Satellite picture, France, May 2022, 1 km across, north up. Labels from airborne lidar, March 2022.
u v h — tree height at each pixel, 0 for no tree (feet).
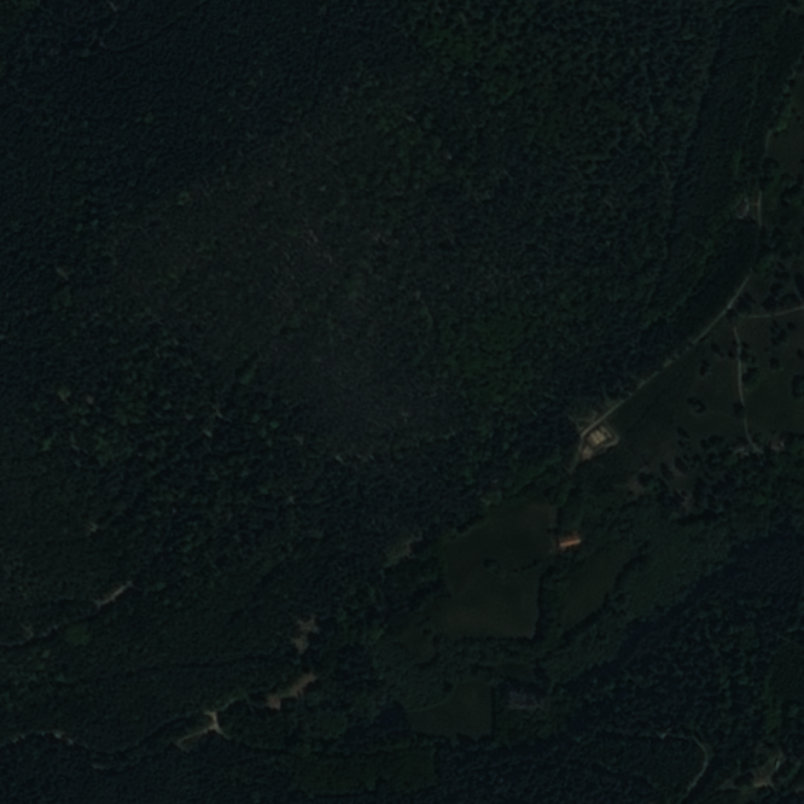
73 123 61
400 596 73
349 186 68
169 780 32
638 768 58
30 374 88
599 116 85
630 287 84
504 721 34
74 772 41
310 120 56
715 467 63
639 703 126
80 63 68
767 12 65
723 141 73
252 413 88
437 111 62
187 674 70
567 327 73
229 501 89
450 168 77
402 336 79
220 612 47
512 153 75
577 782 99
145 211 54
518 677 0
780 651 23
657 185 87
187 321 60
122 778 57
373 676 96
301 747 89
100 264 73
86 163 47
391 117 69
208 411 73
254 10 53
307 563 74
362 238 61
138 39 60
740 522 51
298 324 55
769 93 45
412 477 65
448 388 67
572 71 81
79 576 33
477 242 37
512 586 0
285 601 93
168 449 85
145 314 43
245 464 79
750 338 0
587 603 0
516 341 62
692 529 59
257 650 54
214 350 68
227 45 61
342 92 47
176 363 91
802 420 0
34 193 43
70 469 68
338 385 68
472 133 61
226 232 54
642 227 66
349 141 61
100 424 97
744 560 104
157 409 90
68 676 56
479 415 69
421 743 51
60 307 58
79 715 67
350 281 69
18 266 47
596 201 65
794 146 0
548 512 0
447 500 94
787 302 59
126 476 107
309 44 56
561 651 71
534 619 0
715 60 63
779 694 34
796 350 0
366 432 58
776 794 49
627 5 98
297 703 41
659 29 65
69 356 88
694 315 54
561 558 28
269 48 58
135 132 68
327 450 83
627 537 59
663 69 99
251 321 52
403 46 73
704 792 53
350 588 32
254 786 68
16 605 32
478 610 0
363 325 59
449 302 61
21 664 31
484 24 94
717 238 43
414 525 76
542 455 91
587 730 120
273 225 57
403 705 50
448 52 78
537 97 76
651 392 0
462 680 57
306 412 69
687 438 55
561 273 81
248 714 97
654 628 105
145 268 59
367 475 92
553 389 71
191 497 87
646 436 0
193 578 27
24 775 40
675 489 0
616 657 56
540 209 70
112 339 83
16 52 79
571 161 101
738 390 0
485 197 42
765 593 64
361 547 102
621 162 81
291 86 66
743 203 0
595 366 80
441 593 75
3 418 61
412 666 43
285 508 85
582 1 90
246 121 64
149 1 70
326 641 50
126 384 88
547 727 24
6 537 51
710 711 104
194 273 57
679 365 0
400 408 57
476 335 62
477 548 0
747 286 0
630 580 58
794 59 44
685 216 58
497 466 76
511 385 70
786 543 100
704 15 92
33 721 60
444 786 52
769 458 52
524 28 80
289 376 61
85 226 60
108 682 62
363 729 115
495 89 84
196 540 93
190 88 60
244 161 42
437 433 54
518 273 69
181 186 68
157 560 77
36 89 74
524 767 96
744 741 75
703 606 107
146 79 61
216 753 62
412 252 68
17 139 36
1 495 53
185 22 51
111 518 55
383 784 81
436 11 85
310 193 63
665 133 96
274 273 57
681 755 49
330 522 74
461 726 0
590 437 0
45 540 45
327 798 73
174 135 67
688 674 109
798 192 57
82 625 55
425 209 78
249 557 86
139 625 73
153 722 65
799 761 83
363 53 71
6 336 43
